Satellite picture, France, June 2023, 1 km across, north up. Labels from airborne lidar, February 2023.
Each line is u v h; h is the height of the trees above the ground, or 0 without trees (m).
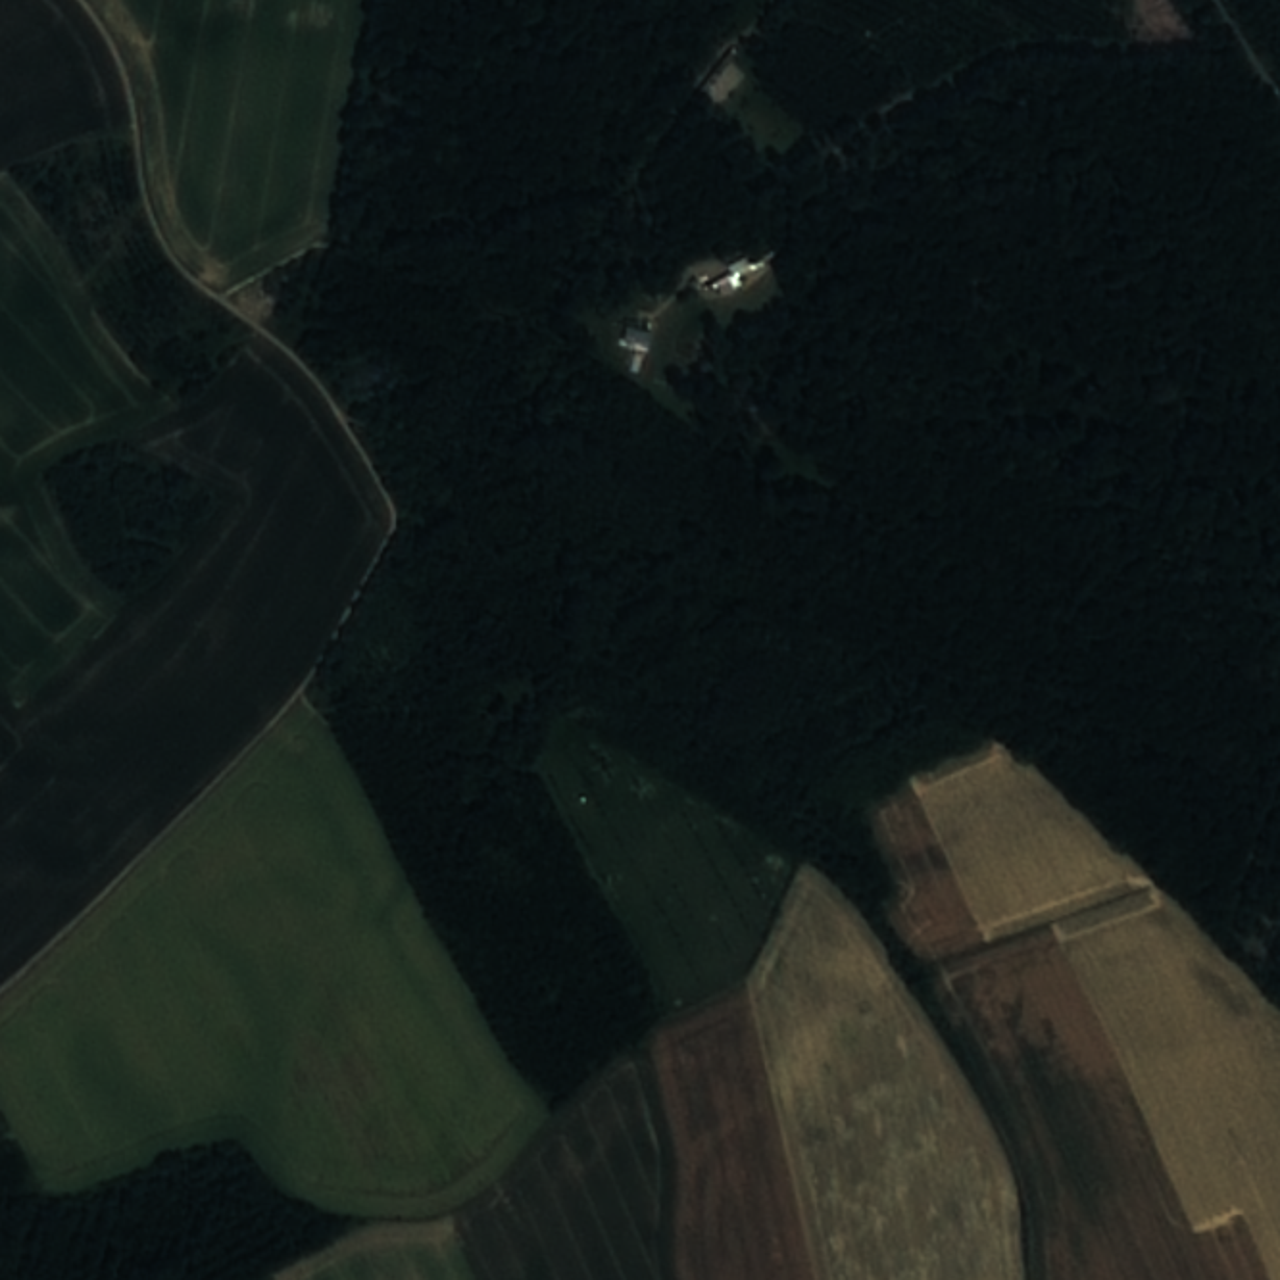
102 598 0
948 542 22
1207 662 19
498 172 24
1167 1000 0
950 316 24
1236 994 0
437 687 14
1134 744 19
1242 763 22
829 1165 0
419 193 25
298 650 0
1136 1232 0
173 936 0
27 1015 0
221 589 0
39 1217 15
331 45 0
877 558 23
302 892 0
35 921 0
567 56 21
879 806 0
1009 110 22
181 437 0
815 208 19
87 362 0
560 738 0
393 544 7
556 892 7
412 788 10
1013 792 0
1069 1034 0
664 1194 0
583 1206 0
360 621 9
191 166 0
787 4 16
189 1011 0
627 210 18
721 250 20
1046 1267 0
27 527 0
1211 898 19
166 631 0
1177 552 19
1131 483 19
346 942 0
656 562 31
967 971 0
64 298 0
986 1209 0
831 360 22
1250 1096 0
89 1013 0
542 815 8
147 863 0
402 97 22
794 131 0
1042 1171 0
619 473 31
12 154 0
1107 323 23
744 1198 0
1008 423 21
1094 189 23
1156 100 21
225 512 0
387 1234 0
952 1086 0
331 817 0
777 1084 0
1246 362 23
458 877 11
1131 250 28
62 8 0
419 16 22
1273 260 19
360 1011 0
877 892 11
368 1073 0
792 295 20
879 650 14
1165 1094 0
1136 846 16
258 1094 0
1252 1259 0
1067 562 17
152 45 0
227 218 0
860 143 18
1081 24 5
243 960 0
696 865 0
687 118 18
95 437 0
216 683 0
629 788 0
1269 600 25
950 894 0
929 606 21
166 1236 15
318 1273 0
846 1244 0
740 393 25
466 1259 0
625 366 0
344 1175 0
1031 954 0
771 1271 0
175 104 0
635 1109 0
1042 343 23
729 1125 0
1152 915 0
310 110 0
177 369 7
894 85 9
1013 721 24
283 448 0
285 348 0
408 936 0
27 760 0
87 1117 0
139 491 7
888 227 21
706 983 0
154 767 0
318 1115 0
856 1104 0
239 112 0
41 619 0
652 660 14
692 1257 0
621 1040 9
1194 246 23
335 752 0
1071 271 23
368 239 21
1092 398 24
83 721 0
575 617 30
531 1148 0
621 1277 0
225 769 0
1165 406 23
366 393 0
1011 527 20
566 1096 10
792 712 12
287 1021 0
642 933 0
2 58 0
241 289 0
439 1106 0
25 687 0
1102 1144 0
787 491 21
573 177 21
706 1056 0
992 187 24
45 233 0
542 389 8
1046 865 0
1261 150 20
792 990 0
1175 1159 0
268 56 0
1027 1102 0
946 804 0
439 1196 0
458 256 25
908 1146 0
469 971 6
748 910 0
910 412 18
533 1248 0
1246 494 28
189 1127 0
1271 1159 0
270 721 0
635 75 19
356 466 0
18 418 0
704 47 19
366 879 0
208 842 0
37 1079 0
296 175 0
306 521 0
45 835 0
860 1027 0
